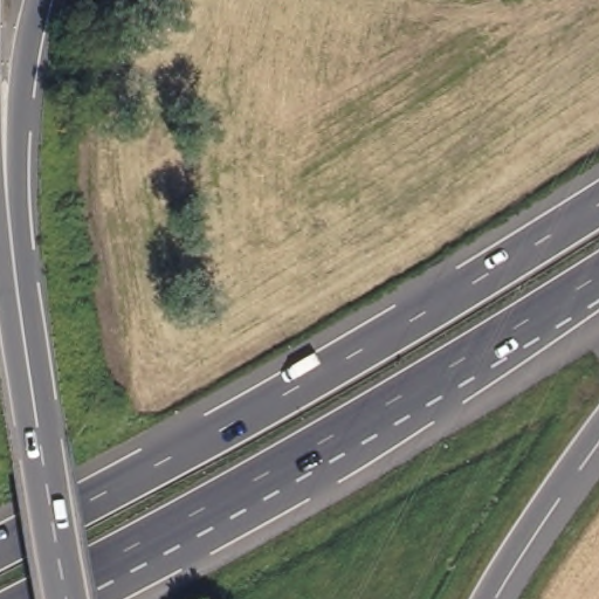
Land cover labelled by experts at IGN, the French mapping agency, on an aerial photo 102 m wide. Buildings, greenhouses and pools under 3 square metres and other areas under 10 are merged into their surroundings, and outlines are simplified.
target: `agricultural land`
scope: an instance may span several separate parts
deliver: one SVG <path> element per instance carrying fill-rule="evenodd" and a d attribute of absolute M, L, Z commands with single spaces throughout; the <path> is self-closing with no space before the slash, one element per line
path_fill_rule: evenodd
<path fill-rule="evenodd" d="M 541 599 L 599 599 L 599 515 L 594 517 L 580 543 L 571 550 L 566 562 L 559 566 Z"/>
<path fill-rule="evenodd" d="M 246 363 L 260 351 L 269 349 L 271 344 L 281 342 L 283 337 L 304 330 L 328 311 L 372 290 L 388 276 L 412 267 L 442 243 L 459 236 L 463 229 L 482 222 L 510 201 L 519 199 L 524 192 L 548 180 L 550 175 L 564 171 L 578 157 L 599 147 L 599 0 L 190 0 L 190 30 L 178 33 L 173 28 L 164 28 L 166 47 L 140 54 L 131 66 L 126 87 L 145 96 L 143 105 L 138 108 L 138 126 L 133 133 L 136 140 L 124 143 L 112 136 L 87 136 L 80 143 L 80 147 L 80 190 L 84 199 L 82 222 L 87 222 L 84 236 L 91 239 L 94 253 L 98 255 L 98 281 L 94 288 L 94 300 L 98 309 L 96 318 L 101 325 L 105 367 L 119 384 L 129 388 L 138 409 L 157 412 L 171 405 L 173 400 L 187 395 L 190 391 L 206 386 L 220 374 L 229 372 L 232 367 Z M 180 152 L 175 150 L 173 133 L 161 122 L 161 108 L 173 105 L 180 98 L 183 89 L 206 98 L 218 110 L 225 131 L 222 143 L 206 140 L 199 168 L 178 164 Z M 208 257 L 187 255 L 180 248 L 180 241 L 161 227 L 166 222 L 168 211 L 180 213 L 185 204 L 199 197 L 199 192 L 206 197 L 204 215 Z M 157 302 L 157 295 L 168 295 L 175 276 L 197 271 L 204 264 L 215 271 L 213 283 L 232 297 L 234 307 L 225 311 L 220 321 L 206 328 L 199 325 L 178 330 L 171 321 L 166 321 Z"/>

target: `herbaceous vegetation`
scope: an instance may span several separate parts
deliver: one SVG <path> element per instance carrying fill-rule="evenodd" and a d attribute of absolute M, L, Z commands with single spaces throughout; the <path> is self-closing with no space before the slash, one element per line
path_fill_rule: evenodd
<path fill-rule="evenodd" d="M 80 147 L 61 147 L 58 136 L 42 143 L 40 187 L 47 194 L 54 194 L 56 199 L 68 190 L 80 190 Z"/>
<path fill-rule="evenodd" d="M 110 529 L 138 517 L 140 512 L 168 501 L 171 496 L 194 487 L 197 482 L 220 473 L 239 459 L 290 433 L 300 426 L 292 416 L 281 426 L 267 431 L 264 435 L 246 442 L 243 447 L 225 454 L 222 459 L 199 468 L 197 473 L 164 487 L 161 491 L 143 498 L 140 503 L 87 529 L 84 538 L 91 541 L 108 533 Z"/>
<path fill-rule="evenodd" d="M 590 489 L 580 508 L 573 512 L 559 538 L 552 543 L 550 552 L 533 571 L 519 599 L 541 599 L 559 566 L 566 562 L 571 550 L 580 543 L 594 517 L 599 515 L 599 480 Z"/>
<path fill-rule="evenodd" d="M 9 477 L 14 477 L 14 470 L 0 388 L 0 505 L 9 501 Z"/>
<path fill-rule="evenodd" d="M 393 470 L 379 475 L 377 480 L 367 482 L 365 487 L 356 489 L 342 501 L 302 519 L 300 524 L 290 526 L 276 538 L 269 538 L 255 550 L 227 562 L 208 576 L 220 587 L 229 590 L 234 599 L 468 599 L 484 564 L 494 555 L 496 545 L 524 508 L 524 503 L 529 501 L 529 496 L 533 494 L 533 489 L 538 487 L 538 482 L 543 480 L 543 475 L 548 473 L 548 468 L 566 447 L 576 428 L 583 424 L 583 419 L 599 402 L 599 358 L 592 351 L 573 358 L 555 374 L 538 379 L 526 391 L 517 393 L 515 398 L 505 400 L 503 405 L 475 419 L 473 424 L 459 428 L 456 433 L 442 438 L 438 445 L 419 452 L 402 466 L 395 466 Z"/>

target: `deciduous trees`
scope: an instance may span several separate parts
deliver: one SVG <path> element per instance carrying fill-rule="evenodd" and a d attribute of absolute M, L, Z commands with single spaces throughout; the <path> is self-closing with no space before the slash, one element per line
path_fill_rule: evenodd
<path fill-rule="evenodd" d="M 168 295 L 157 295 L 157 302 L 166 321 L 171 321 L 178 330 L 199 325 L 206 328 L 220 321 L 225 311 L 234 307 L 232 297 L 213 283 L 215 271 L 204 264 L 197 271 L 175 276 Z"/>
<path fill-rule="evenodd" d="M 204 215 L 206 197 L 199 192 L 199 197 L 185 204 L 180 213 L 168 211 L 166 222 L 161 227 L 180 241 L 180 248 L 187 255 L 208 257 Z"/>
<path fill-rule="evenodd" d="M 180 98 L 173 105 L 161 108 L 161 122 L 173 133 L 175 150 L 180 152 L 178 164 L 199 168 L 206 140 L 222 143 L 225 131 L 218 110 L 206 98 L 183 89 Z"/>
<path fill-rule="evenodd" d="M 168 583 L 168 592 L 161 599 L 234 599 L 229 590 L 220 587 L 208 576 L 180 576 Z"/>
<path fill-rule="evenodd" d="M 61 9 L 58 16 L 44 30 L 47 56 L 40 66 L 42 143 L 58 136 L 61 147 L 80 147 L 80 143 L 87 136 L 112 136 L 124 143 L 136 140 L 133 133 L 138 126 L 138 108 L 143 105 L 145 96 L 126 87 L 131 66 L 140 54 L 166 47 L 164 28 L 173 28 L 178 33 L 190 30 L 190 0 L 70 0 L 73 5 Z"/>

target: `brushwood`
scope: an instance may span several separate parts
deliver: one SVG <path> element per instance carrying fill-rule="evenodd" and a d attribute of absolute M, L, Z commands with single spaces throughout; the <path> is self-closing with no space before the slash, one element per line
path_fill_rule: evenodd
<path fill-rule="evenodd" d="M 328 311 L 304 330 L 283 337 L 281 342 L 271 344 L 269 349 L 260 351 L 246 363 L 232 367 L 229 372 L 220 374 L 206 386 L 190 391 L 187 395 L 173 400 L 171 405 L 157 412 L 138 409 L 129 388 L 119 384 L 105 367 L 101 325 L 96 318 L 98 309 L 94 300 L 94 288 L 98 281 L 98 255 L 94 253 L 91 239 L 84 236 L 87 222 L 82 222 L 84 199 L 80 190 L 68 190 L 56 199 L 54 194 L 47 194 L 40 187 L 37 246 L 42 248 L 42 260 L 47 264 L 44 297 L 56 360 L 56 388 L 68 424 L 66 438 L 73 442 L 73 456 L 77 463 L 87 463 L 105 449 L 115 447 L 117 442 L 122 442 L 124 438 L 161 424 L 175 412 L 246 377 L 260 365 L 269 363 L 271 358 L 288 356 L 302 344 L 311 344 L 314 335 L 346 318 L 349 314 L 381 300 L 386 292 L 393 292 L 400 283 L 424 274 L 433 264 L 454 255 L 459 248 L 473 243 L 477 236 L 505 225 L 512 215 L 531 208 L 536 201 L 545 199 L 564 183 L 599 164 L 599 147 L 578 157 L 564 171 L 550 175 L 548 180 L 524 192 L 519 199 L 510 201 L 482 222 L 463 229 L 459 236 L 442 243 L 412 267 L 388 276 L 372 290 Z"/>

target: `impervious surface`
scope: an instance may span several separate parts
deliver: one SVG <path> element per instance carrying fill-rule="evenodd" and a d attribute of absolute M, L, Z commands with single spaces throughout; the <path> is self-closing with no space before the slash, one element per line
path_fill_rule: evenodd
<path fill-rule="evenodd" d="M 533 489 L 533 494 L 529 496 L 529 501 L 524 503 L 524 508 L 496 545 L 494 555 L 484 564 L 468 599 L 519 599 L 533 571 L 550 552 L 552 543 L 559 538 L 573 512 L 580 508 L 590 489 L 599 480 L 599 402 L 583 419 L 583 424 L 576 428 L 566 447 L 548 468 L 548 473 L 543 475 L 543 480 L 538 482 L 538 487 Z"/>
<path fill-rule="evenodd" d="M 526 391 L 538 379 L 555 374 L 573 358 L 592 351 L 599 358 L 599 164 L 564 183 L 545 199 L 536 201 L 531 208 L 512 215 L 505 225 L 477 236 L 473 243 L 459 248 L 454 255 L 433 264 L 424 274 L 400 283 L 393 292 L 386 292 L 381 300 L 349 314 L 346 318 L 314 335 L 311 344 L 302 344 L 288 356 L 271 358 L 269 363 L 260 365 L 246 377 L 175 412 L 161 424 L 124 438 L 122 442 L 117 442 L 115 447 L 105 449 L 87 463 L 77 463 L 73 456 L 73 442 L 66 438 L 68 424 L 56 388 L 56 360 L 44 297 L 47 264 L 42 260 L 42 248 L 37 246 L 40 187 L 42 143 L 40 66 L 47 56 L 44 30 L 58 16 L 61 9 L 73 5 L 70 0 L 0 0 L 0 388 L 14 470 L 14 477 L 9 477 L 9 501 L 0 505 L 0 599 L 161 599 L 168 592 L 168 583 L 180 576 L 208 576 L 227 562 L 255 550 L 269 538 L 276 538 L 290 526 L 300 524 L 302 519 L 342 501 L 356 489 L 365 487 L 367 482 L 377 480 L 379 475 L 393 470 L 395 466 L 402 466 L 419 452 L 438 445 L 442 438 L 456 433 L 459 428 L 473 424 L 475 419 L 503 405 L 505 400 L 515 398 L 517 393 Z M 246 442 L 264 435 L 267 431 L 281 426 L 292 416 L 300 426 L 290 433 L 239 459 L 220 473 L 197 482 L 194 487 L 171 496 L 168 501 L 140 512 L 138 517 L 110 529 L 108 533 L 91 541 L 84 538 L 87 529 L 140 503 L 143 498 L 161 491 L 164 487 L 197 473 L 199 468 L 222 459 L 225 454 L 243 447 Z"/>

